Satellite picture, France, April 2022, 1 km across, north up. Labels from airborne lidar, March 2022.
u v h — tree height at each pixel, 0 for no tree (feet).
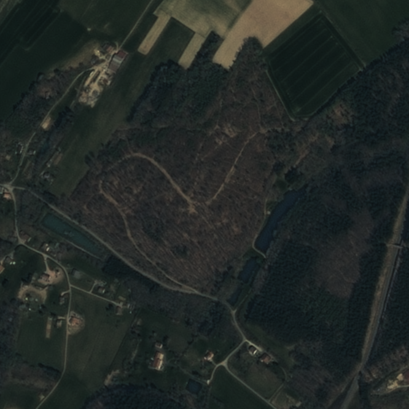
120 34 0
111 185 0
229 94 88
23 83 0
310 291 37
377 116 85
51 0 0
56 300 0
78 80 0
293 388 58
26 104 72
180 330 0
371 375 77
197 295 28
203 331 83
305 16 0
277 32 0
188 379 0
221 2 0
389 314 48
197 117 77
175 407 58
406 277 63
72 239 0
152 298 70
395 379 0
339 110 0
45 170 0
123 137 0
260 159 19
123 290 0
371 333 0
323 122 87
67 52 0
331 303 53
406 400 0
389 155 89
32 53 0
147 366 0
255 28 0
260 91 77
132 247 68
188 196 75
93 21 0
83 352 0
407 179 78
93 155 0
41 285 0
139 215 84
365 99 88
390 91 69
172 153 71
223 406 58
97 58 0
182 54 0
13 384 0
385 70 77
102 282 0
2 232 0
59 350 0
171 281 41
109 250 22
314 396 83
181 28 0
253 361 0
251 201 23
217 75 82
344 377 79
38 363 0
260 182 19
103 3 0
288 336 59
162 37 0
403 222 0
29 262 0
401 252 0
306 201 51
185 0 0
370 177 93
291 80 0
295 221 54
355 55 0
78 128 0
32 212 36
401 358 75
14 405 0
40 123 69
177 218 84
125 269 56
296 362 37
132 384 0
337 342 45
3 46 0
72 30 0
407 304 64
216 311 58
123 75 0
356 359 71
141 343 0
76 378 0
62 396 0
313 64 0
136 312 36
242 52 58
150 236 75
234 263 52
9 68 0
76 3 0
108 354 0
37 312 0
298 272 60
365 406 83
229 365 0
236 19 0
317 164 73
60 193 0
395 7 0
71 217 61
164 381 0
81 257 22
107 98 0
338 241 53
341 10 0
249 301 0
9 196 0
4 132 73
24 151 0
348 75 0
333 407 0
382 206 82
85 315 0
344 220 48
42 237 0
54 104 74
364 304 72
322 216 48
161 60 0
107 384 0
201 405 69
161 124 95
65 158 0
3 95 0
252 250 0
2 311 0
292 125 71
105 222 85
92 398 0
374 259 82
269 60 0
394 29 0
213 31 0
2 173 73
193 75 56
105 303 0
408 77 94
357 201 60
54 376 72
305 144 78
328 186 51
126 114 0
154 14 0
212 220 83
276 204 20
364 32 0
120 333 0
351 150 80
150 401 60
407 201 0
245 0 0
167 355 0
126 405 85
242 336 0
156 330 0
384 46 0
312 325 68
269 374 0
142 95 0
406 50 82
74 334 0
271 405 0
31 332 0
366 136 80
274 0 0
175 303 63
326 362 79
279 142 82
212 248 73
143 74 0
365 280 74
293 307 53
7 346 64
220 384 0
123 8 0
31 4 0
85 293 0
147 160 27
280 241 95
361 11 0
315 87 0
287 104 0
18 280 0
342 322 42
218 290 74
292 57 0
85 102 0
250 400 0
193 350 0
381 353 50
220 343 0
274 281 54
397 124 63
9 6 0
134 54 0
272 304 60
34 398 0
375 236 58
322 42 0
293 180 73
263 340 0
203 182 83
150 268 56
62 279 0
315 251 52
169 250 71
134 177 75
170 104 50
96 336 0
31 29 0
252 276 0
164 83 83
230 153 28
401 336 51
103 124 0
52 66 0
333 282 0
